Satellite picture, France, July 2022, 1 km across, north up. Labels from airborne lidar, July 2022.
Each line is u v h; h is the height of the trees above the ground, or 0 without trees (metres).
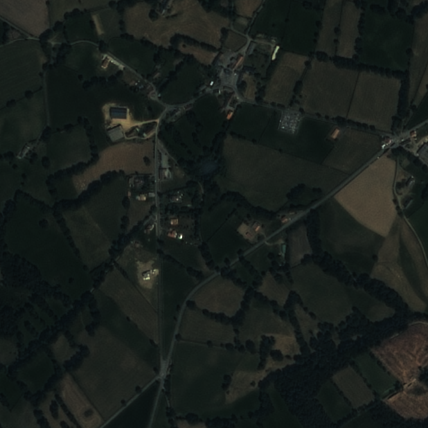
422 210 0
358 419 0
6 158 14
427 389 0
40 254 0
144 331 0
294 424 0
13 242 0
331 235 0
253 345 19
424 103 0
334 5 0
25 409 0
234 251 0
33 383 0
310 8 16
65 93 0
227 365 0
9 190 0
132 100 0
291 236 0
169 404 6
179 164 16
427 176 0
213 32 0
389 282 0
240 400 0
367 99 0
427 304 0
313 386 16
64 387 0
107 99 0
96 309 11
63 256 0
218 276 0
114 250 21
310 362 19
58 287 12
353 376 0
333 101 0
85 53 0
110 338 0
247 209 12
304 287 0
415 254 0
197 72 0
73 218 0
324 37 0
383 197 0
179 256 0
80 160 0
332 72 0
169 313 0
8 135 0
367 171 0
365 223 0
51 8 0
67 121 0
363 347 21
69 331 20
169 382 9
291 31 0
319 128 0
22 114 0
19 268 19
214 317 11
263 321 0
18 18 0
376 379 0
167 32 0
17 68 0
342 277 17
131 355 0
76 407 0
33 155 13
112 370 0
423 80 0
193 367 0
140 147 0
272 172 0
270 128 0
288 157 0
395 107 0
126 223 16
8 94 0
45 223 15
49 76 0
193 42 18
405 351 0
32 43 0
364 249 0
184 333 0
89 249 0
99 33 0
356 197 0
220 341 0
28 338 0
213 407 0
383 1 0
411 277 0
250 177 0
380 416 16
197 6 0
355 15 0
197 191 12
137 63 0
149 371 0
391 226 0
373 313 0
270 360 0
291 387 22
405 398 0
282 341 0
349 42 0
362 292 0
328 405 0
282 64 0
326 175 0
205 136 0
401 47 0
